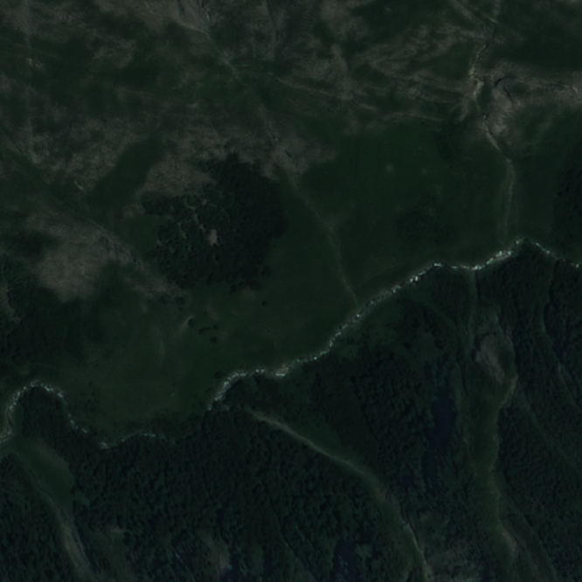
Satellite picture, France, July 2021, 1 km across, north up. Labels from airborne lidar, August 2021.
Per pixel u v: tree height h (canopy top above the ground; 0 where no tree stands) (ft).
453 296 33
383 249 0
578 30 0
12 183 0
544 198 0
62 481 0
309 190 0
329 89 0
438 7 0
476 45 0
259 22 0
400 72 0
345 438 26
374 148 0
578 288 56
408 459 34
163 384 0
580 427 30
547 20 0
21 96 0
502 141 0
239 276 69
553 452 24
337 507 79
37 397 69
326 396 21
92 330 18
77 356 20
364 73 0
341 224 0
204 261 91
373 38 0
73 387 0
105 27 0
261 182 28
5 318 41
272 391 20
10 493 25
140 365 0
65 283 0
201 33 0
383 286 0
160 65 0
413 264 0
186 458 40
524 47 0
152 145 0
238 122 0
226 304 0
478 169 0
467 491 28
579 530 30
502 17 0
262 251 67
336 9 0
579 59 0
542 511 34
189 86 0
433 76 0
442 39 0
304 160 0
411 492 34
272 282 0
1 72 0
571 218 36
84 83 0
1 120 0
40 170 0
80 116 0
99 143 0
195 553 26
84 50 0
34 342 72
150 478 80
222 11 0
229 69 0
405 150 0
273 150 0
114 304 23
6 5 0
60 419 63
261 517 31
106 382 0
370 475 0
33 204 0
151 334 0
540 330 43
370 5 0
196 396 19
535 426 23
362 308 0
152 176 0
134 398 0
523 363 73
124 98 0
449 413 21
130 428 24
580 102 0
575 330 55
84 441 76
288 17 0
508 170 0
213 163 50
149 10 0
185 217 53
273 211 64
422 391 81
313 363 21
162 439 27
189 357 0
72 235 0
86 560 0
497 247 0
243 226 78
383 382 73
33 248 26
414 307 18
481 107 0
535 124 0
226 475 74
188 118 0
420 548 0
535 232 0
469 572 0
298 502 74
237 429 77
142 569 33
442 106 25
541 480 36
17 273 56
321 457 83
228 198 53
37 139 0
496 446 0
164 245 51
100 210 0
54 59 0
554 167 0
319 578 26
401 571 47
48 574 23
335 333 0
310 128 0
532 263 42
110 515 85
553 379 31
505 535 0
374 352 20
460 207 0
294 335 0
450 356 33
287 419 22
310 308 0
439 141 27
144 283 0
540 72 0
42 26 0
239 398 72
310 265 0
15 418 0
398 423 84
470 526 20
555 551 37
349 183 0
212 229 70
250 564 33
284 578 21
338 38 0
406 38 0
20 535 27
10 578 43
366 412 65
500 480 0
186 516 67
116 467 75
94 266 0
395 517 0
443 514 19
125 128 0
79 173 0
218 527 37
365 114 0
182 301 32
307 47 0
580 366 30
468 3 0
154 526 41
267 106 0
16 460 28
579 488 21
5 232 25
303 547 34
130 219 0
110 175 0
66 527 0
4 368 45
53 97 0
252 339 0
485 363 0
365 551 0
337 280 0
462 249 0
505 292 23
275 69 0
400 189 0
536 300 44
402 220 18
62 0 0
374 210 0
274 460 41
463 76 0
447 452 71
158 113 0
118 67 0
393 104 0
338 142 0
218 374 38
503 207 0
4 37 0
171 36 0
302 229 0
